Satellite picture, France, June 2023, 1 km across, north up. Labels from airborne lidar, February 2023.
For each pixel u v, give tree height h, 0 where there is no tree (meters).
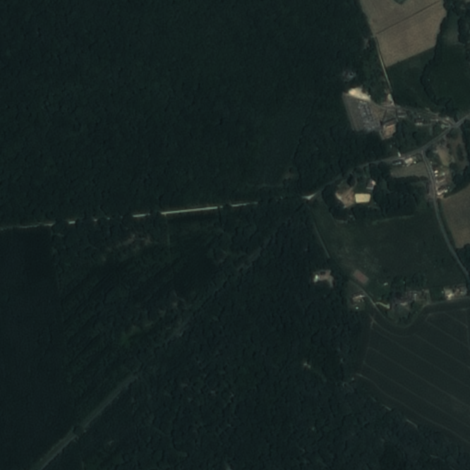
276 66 26
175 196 19
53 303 8
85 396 11
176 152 27
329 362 13
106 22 25
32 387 14
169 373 13
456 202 0
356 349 13
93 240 24
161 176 22
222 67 23
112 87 25
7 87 24
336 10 25
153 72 24
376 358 0
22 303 15
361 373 0
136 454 24
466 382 0
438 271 0
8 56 29
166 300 18
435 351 0
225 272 19
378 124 0
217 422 25
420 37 0
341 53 23
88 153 26
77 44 22
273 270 23
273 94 23
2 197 17
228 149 16
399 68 0
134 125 24
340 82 20
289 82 19
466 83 0
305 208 19
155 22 23
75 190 22
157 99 24
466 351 0
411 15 0
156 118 25
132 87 24
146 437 25
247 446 25
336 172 20
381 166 14
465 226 0
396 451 11
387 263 0
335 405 26
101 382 11
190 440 25
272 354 28
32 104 27
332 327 22
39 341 8
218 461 24
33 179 25
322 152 10
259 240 20
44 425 15
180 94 21
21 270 13
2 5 27
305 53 26
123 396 8
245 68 23
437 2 0
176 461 20
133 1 23
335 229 0
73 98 20
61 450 0
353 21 21
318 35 22
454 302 0
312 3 22
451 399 0
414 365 0
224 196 22
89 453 8
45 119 23
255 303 21
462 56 0
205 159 23
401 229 0
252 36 23
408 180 15
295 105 9
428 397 0
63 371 13
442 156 0
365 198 0
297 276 21
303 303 21
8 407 16
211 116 27
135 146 24
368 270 0
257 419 24
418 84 0
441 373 0
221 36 21
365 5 0
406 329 0
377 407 24
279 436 24
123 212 21
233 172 19
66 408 13
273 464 26
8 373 13
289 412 26
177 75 24
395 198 21
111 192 25
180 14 23
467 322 0
